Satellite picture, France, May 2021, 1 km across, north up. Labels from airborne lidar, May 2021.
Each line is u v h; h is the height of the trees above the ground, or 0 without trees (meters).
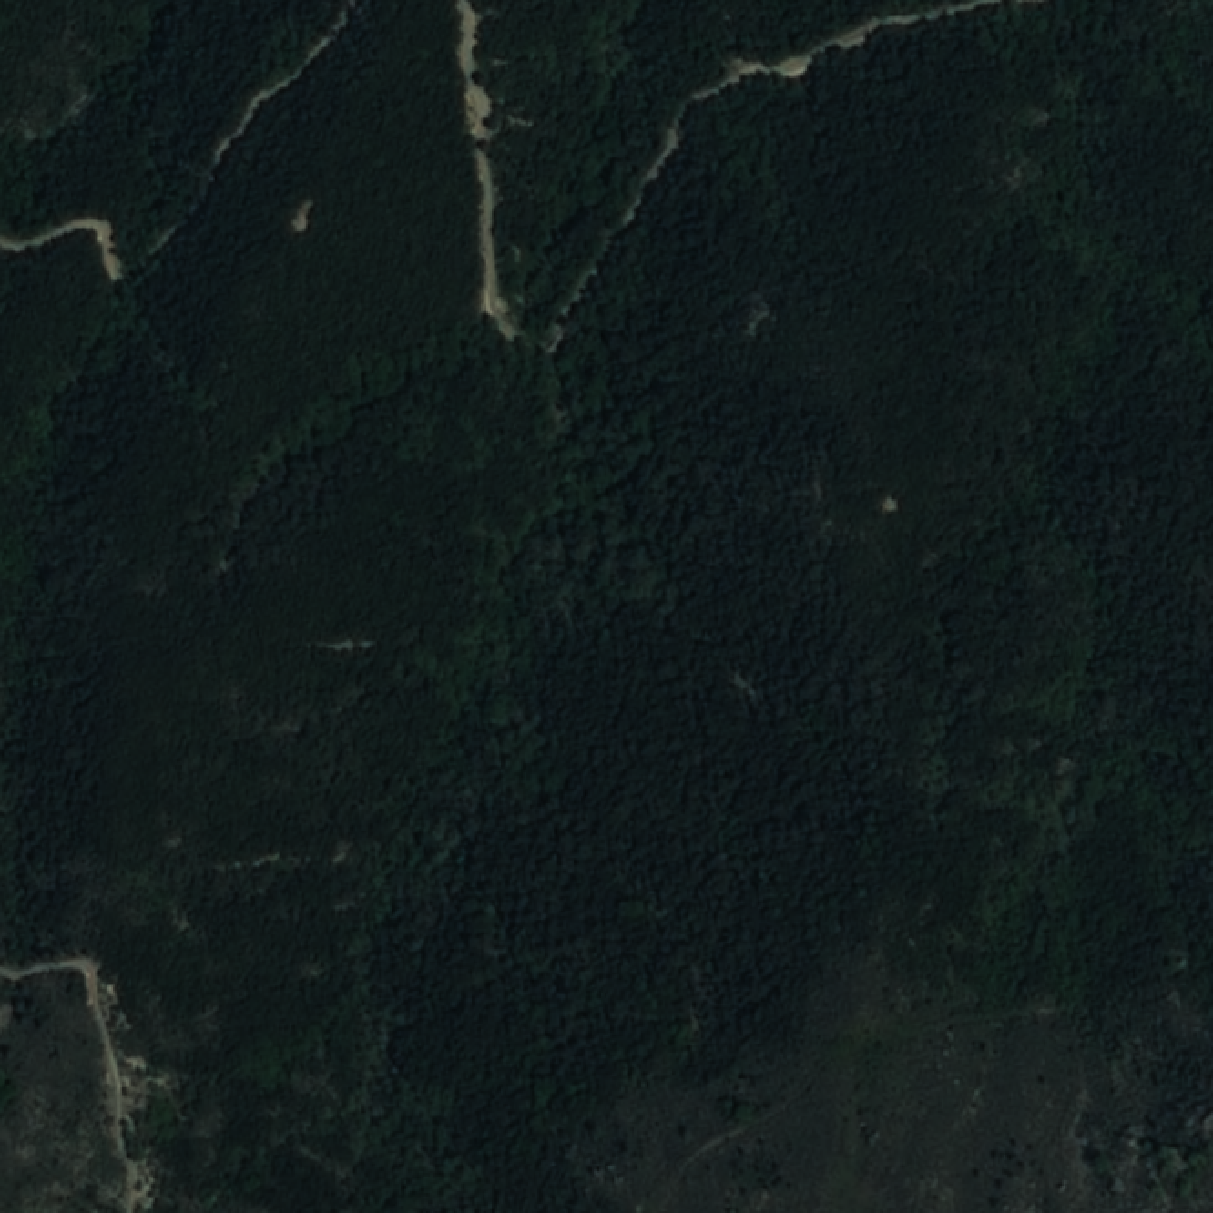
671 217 17
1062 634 11
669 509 14
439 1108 17
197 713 15
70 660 11
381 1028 19
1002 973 9
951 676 10
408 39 10
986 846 8
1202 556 11
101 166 16
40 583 12
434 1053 14
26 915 14
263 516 18
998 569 16
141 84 20
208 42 10
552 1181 7
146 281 13
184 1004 12
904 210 12
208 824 12
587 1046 9
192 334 13
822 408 7
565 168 18
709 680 15
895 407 11
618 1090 7
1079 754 11
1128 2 17
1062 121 14
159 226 11
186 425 16
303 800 12
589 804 17
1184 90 22
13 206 16
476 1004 12
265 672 14
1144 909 15
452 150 14
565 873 16
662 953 11
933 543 11
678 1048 9
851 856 14
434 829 13
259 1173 11
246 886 17
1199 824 10
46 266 11
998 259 17
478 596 16
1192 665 9
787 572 10
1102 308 10
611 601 19
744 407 12
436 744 14
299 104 10
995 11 13
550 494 14
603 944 12
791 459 10
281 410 13
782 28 17
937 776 10
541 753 16
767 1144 11
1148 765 12
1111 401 14
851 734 10
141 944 12
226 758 12
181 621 14
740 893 8
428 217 12
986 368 7
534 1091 13
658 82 19
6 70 11
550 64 17
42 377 13
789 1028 10
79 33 7
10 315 14
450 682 12
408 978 12
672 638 17
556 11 19
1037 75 16
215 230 12
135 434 19
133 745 10
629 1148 13
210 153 13
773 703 11
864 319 7
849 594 10
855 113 15
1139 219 13
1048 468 13
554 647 11
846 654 7
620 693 13
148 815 13
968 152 8
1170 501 11
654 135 12
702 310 12
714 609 18
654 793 11
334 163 9
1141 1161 6
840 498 9
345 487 17
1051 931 15
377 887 10
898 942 6
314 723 18
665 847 16
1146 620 9
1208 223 9
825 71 15
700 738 14
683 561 16
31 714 11
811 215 13
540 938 14
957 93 13
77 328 14
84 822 13
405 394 13
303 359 22
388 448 14
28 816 17
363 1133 15
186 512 18
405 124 12
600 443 8
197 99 13
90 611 10
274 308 11
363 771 10
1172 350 9
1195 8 19
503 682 17
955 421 10
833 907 14
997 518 12
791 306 8
